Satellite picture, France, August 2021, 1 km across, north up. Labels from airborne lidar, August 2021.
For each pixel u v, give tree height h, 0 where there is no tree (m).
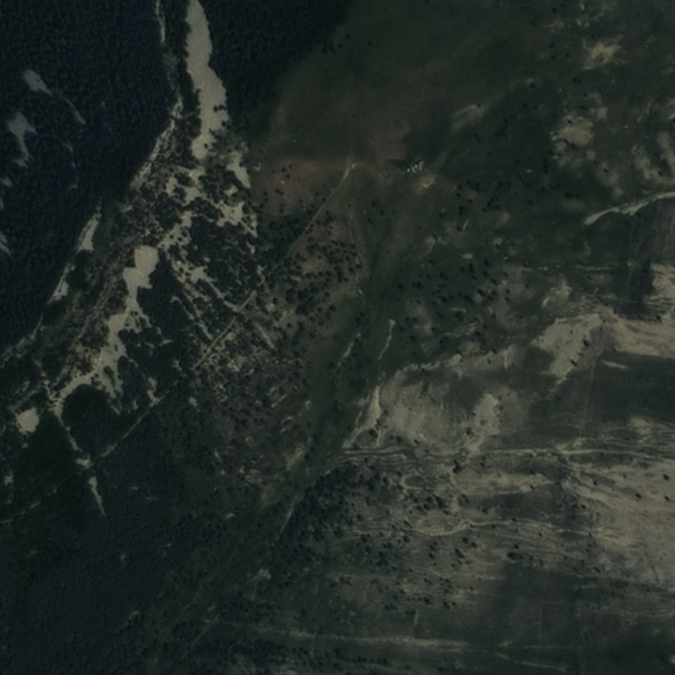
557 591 0
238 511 6
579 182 0
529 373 0
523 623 0
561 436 0
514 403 0
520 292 0
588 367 0
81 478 14
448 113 0
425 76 0
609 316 0
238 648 8
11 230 18
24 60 15
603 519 0
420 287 9
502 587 0
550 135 0
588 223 0
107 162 17
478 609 0
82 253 7
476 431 0
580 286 0
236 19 13
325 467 0
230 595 0
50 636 15
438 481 0
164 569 8
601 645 0
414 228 0
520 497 0
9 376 12
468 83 0
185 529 13
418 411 0
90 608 13
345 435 0
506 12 0
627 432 0
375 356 0
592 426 0
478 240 0
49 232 10
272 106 0
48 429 11
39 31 18
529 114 0
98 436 10
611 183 0
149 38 8
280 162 0
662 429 0
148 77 8
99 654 16
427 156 0
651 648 0
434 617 0
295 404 0
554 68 0
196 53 0
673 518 0
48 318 13
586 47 0
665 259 0
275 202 0
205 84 0
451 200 0
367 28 0
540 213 0
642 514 0
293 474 0
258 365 7
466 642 0
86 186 8
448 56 0
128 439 10
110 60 21
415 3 0
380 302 0
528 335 0
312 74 0
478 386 0
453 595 0
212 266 10
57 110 11
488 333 0
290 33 18
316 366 0
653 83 0
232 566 0
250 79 18
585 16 0
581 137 0
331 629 0
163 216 7
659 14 0
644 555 0
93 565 10
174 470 11
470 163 0
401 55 0
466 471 0
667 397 0
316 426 0
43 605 12
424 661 0
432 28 0
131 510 13
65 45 10
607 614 0
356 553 0
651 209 0
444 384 0
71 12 10
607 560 0
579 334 0
